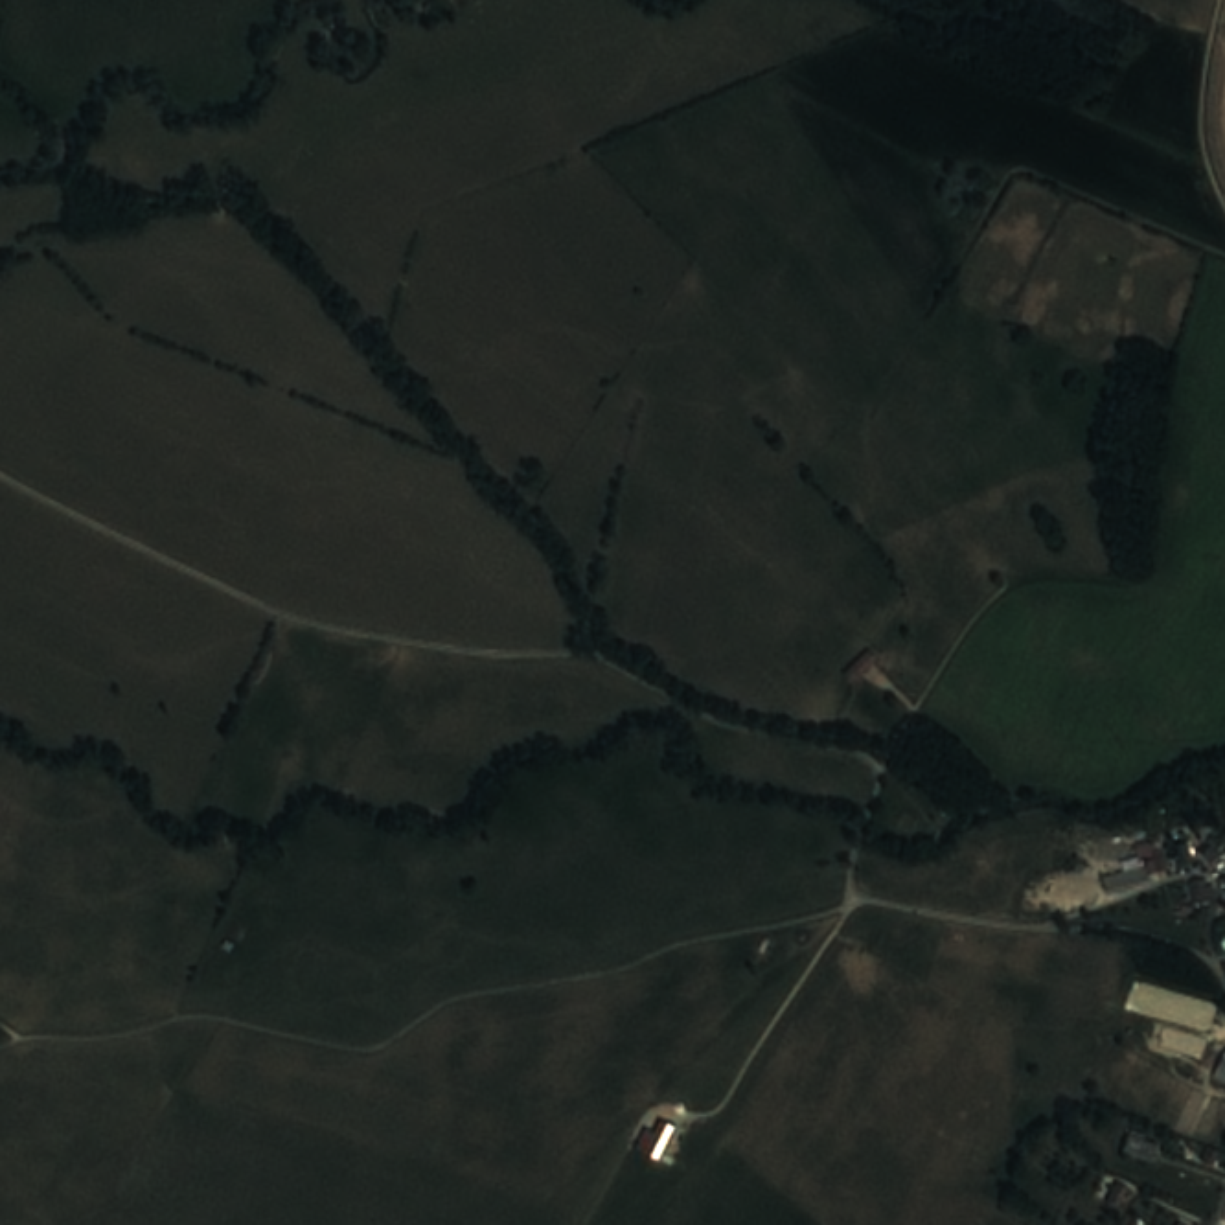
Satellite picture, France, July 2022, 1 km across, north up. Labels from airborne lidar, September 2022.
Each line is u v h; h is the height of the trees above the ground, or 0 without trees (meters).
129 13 0
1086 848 0
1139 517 20
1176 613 0
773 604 0
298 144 0
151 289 0
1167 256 0
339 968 0
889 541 0
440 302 0
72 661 0
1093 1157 14
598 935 0
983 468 0
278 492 0
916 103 0
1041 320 0
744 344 0
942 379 0
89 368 0
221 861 0
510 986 0
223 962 0
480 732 0
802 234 0
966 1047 0
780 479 0
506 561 0
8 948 0
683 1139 0
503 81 0
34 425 0
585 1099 0
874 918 0
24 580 0
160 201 12
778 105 0
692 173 0
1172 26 0
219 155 0
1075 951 0
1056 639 0
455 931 0
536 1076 0
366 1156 0
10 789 0
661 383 0
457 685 0
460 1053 0
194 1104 0
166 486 0
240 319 0
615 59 0
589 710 0
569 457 0
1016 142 0
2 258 13
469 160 0
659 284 0
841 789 0
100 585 0
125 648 0
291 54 0
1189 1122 0
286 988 0
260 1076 0
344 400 0
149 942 0
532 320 0
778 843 0
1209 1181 0
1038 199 0
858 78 0
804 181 0
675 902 0
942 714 0
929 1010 0
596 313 0
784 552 0
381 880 0
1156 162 0
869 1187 0
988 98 0
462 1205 0
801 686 0
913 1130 0
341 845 0
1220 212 0
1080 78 21
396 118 0
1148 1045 0
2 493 0
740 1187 0
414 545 0
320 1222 0
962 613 0
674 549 0
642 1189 0
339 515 0
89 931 0
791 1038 0
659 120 6
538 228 0
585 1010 0
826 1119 0
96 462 0
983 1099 0
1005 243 0
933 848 12
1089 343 0
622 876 0
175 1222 0
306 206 0
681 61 0
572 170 0
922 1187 0
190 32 0
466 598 0
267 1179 0
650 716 8
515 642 0
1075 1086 0
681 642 0
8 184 11
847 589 0
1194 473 0
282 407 0
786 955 0
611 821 0
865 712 0
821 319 0
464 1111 0
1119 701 0
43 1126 0
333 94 0
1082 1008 0
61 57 0
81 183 13
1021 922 0
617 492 13
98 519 0
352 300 10
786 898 0
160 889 0
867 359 0
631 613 0
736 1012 0
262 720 0
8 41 0
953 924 0
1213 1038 0
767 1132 0
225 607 0
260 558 0
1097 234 0
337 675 0
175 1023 0
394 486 0
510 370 0
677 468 0
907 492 0
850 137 0
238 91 0
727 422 0
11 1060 0
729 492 0
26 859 0
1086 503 0
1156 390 25
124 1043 0
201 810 0
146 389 0
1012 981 0
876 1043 0
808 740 19
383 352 18
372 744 0
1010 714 0
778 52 0
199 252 0
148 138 0
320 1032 0
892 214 0
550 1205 0
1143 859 0
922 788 8
